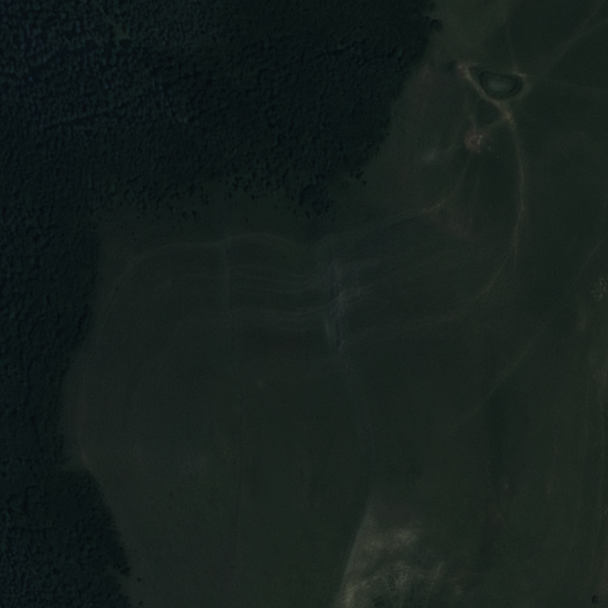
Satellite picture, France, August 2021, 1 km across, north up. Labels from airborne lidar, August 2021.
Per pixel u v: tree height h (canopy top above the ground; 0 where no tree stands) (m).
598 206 0
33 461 14
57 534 12
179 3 12
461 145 0
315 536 0
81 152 20
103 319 0
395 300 0
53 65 23
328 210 6
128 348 0
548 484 0
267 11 21
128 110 19
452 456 0
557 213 0
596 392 0
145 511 0
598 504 0
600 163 0
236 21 8
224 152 14
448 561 0
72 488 5
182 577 0
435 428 0
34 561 18
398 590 0
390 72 19
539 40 0
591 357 0
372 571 0
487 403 0
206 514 0
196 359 0
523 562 0
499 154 0
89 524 11
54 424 7
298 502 0
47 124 27
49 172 15
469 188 0
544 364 0
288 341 0
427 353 0
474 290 0
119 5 10
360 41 19
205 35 20
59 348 6
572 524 0
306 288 0
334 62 23
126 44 14
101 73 18
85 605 14
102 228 0
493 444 0
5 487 7
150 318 0
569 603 0
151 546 0
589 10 0
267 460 0
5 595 25
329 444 0
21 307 15
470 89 0
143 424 0
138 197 6
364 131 17
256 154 9
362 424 0
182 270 0
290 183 6
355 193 0
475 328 0
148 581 0
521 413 0
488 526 0
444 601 0
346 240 0
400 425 0
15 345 14
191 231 0
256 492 0
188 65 7
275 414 0
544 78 0
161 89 10
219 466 0
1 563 21
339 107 20
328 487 0
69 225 14
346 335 0
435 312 0
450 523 0
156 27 12
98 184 16
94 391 0
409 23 21
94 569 7
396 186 0
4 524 16
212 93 15
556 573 0
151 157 14
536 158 0
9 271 8
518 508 0
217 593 0
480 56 0
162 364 0
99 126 20
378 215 0
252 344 0
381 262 0
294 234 0
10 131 17
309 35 24
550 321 0
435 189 0
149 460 0
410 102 0
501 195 0
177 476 0
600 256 0
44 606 15
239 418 0
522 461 0
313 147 6
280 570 0
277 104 17
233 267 0
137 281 0
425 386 0
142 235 0
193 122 13
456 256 0
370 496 0
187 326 0
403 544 0
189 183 10
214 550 0
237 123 17
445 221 0
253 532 0
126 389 0
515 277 0
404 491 0
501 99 0
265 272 0
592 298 0
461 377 0
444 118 0
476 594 0
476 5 0
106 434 0
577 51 0
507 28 0
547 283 0
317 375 0
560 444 0
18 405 6
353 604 0
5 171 13
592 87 0
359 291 0
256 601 0
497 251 0
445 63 0
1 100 20
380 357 0
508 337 0
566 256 0
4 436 11
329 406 0
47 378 12
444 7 0
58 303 16
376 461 0
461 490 0
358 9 20
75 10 13
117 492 0
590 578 0
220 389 0
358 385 0
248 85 5
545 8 0
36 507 20
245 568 0
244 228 0
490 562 0
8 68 20
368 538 0
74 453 0
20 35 26
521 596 0
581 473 0
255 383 0
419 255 0
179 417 0
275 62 16
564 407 0
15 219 20
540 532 0
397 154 0
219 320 0
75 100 17
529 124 0
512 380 0
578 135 0
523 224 0
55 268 13
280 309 0
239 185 7
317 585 0
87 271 10
